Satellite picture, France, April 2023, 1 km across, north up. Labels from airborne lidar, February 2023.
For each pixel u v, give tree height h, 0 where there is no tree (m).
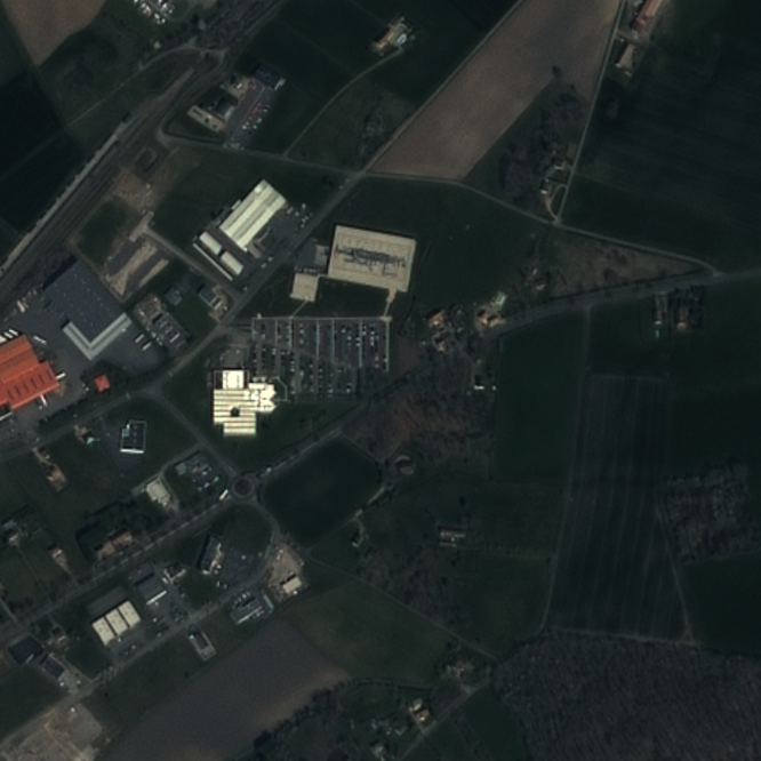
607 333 0
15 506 0
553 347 0
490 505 0
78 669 0
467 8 0
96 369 7
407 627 0
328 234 0
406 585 0
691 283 0
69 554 0
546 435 0
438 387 17
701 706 24
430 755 0
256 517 0
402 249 0
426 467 0
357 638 0
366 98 0
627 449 0
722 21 0
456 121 0
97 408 0
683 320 0
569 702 18
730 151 0
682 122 0
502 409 0
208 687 0
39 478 0
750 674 19
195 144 0
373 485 0
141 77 0
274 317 0
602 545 0
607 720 26
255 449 0
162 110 0
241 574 0
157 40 0
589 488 0
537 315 0
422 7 0
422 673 0
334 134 0
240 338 0
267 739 10
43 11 0
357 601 0
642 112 0
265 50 0
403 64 0
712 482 15
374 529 0
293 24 0
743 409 0
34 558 0
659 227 0
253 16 11
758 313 0
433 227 0
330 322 0
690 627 0
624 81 0
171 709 0
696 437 0
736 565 0
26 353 0
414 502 0
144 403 0
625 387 0
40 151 0
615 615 0
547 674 20
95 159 0
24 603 0
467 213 0
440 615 19
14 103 0
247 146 0
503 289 0
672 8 0
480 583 0
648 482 0
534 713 14
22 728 0
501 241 0
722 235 0
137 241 0
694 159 0
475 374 0
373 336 0
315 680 0
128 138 0
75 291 0
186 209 0
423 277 0
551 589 0
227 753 0
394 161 0
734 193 0
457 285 0
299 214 0
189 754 0
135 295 0
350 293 0
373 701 0
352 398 8
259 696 0
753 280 0
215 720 0
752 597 0
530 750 16
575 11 0
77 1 0
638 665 23
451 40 0
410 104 0
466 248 0
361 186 0
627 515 0
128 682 0
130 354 0
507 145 0
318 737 0
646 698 25
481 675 8
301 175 0
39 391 0
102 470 0
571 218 0
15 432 0
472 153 0
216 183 0
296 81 0
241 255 0
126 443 0
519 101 0
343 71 0
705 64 0
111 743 0
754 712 24
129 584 0
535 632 0
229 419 0
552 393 0
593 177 0
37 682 0
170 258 0
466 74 0
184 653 0
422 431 18
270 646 0
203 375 0
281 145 0
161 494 0
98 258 0
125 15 0
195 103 0
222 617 0
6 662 0
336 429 0
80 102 0
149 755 0
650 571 0
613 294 14
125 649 0
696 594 0
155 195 0
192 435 0
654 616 0
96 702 0
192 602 0
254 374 0
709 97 0
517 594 0
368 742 0
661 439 0
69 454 0
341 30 0
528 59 0
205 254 6
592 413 0
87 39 0
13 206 0
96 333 0
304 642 0
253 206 0
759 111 0
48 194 0
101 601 0
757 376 0
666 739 26
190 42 0
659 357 0
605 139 0
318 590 0
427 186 0
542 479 0
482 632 0
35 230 0
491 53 0
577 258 0
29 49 0
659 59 0
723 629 0
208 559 0
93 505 0
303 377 0
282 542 0
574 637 11
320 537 0
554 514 0
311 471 0
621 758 19
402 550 0
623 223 0
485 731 0
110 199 0
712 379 0
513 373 0
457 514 0
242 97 0
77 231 0
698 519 16
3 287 0
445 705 9
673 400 0
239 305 0
